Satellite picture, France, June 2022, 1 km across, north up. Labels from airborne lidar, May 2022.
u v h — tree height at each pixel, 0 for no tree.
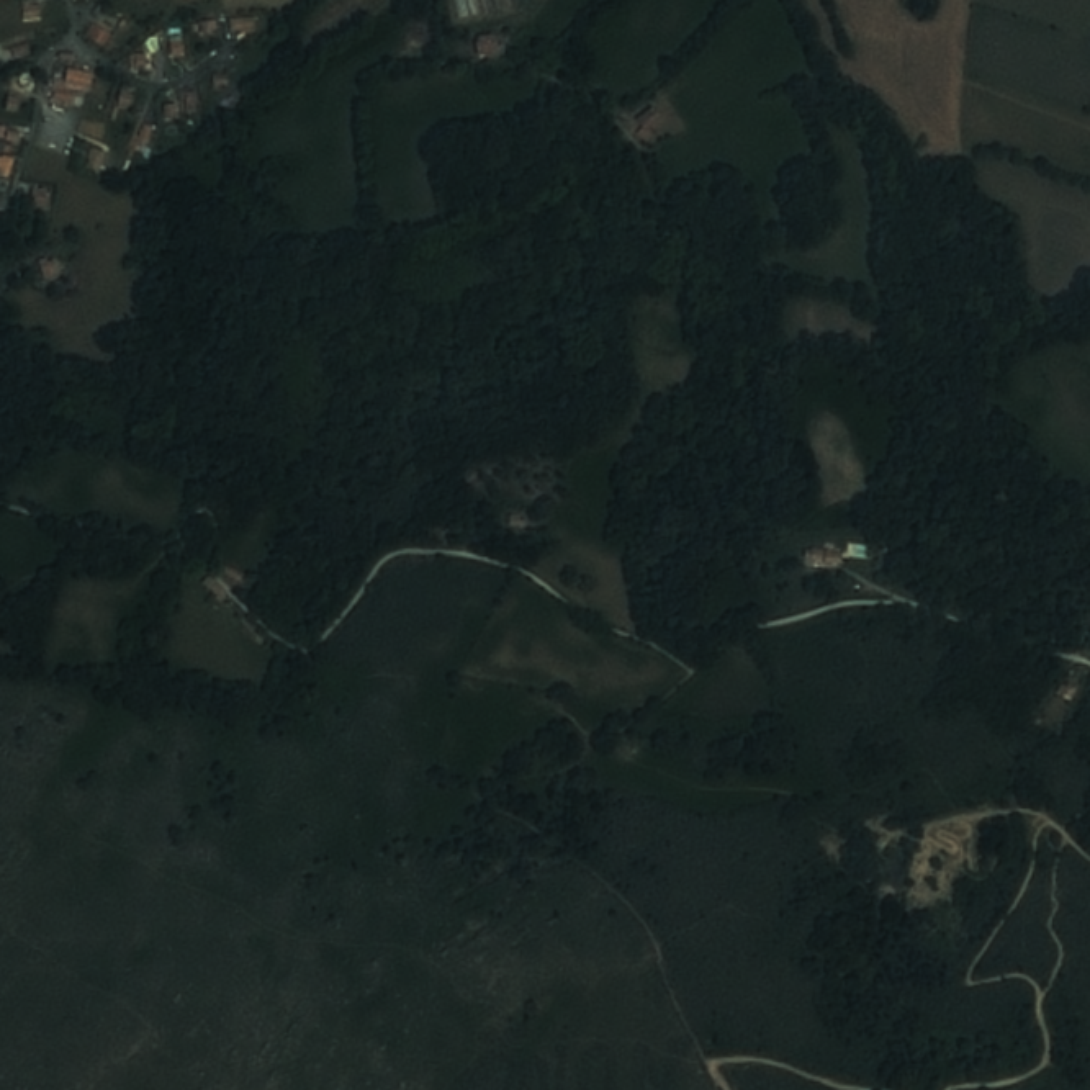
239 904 0
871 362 17
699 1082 0
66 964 0
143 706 17
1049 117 0
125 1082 0
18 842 0
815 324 0
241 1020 0
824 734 0
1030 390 0
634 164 17
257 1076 0
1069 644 10
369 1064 0
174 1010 0
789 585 10
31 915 0
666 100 0
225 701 29
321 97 0
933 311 27
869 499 23
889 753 8
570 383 21
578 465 0
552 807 7
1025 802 10
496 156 17
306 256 19
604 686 0
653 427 22
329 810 0
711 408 34
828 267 0
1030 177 0
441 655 0
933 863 8
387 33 0
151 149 0
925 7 18
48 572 11
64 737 0
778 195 17
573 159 21
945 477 24
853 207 0
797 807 12
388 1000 0
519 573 7
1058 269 0
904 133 22
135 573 9
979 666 16
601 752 15
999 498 22
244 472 22
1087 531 19
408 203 0
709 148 0
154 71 0
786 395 15
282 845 0
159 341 13
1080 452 0
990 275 26
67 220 0
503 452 17
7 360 22
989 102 0
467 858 9
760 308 23
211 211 22
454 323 9
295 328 8
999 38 0
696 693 0
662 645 14
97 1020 0
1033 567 21
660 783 0
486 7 0
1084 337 16
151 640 13
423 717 0
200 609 0
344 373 13
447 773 14
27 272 12
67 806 0
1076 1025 8
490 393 19
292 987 0
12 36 0
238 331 19
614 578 0
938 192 26
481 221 19
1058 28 7
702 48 8
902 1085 12
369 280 14
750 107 0
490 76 11
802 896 15
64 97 0
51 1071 0
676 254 27
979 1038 8
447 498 16
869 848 11
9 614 11
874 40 0
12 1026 0
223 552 9
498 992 0
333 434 14
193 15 10
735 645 14
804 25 21
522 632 0
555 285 12
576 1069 0
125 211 0
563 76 17
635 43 0
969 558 12
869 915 10
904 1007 6
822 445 0
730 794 0
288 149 0
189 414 21
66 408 16
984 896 6
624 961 0
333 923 8
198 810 8
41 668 15
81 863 0
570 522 0
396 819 0
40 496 0
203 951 0
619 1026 0
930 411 22
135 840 0
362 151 17
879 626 6
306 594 15
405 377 26
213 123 20
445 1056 0
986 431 22
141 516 0
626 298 16
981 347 22
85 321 0
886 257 25
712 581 6
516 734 0
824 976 13
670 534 21
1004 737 7
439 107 0
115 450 16
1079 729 11
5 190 0
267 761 0
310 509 22
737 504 19
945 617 13
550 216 19
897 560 17
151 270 19
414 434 7
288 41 19
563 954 0
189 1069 0
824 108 25
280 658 9
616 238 21
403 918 0
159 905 0
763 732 11
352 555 8
